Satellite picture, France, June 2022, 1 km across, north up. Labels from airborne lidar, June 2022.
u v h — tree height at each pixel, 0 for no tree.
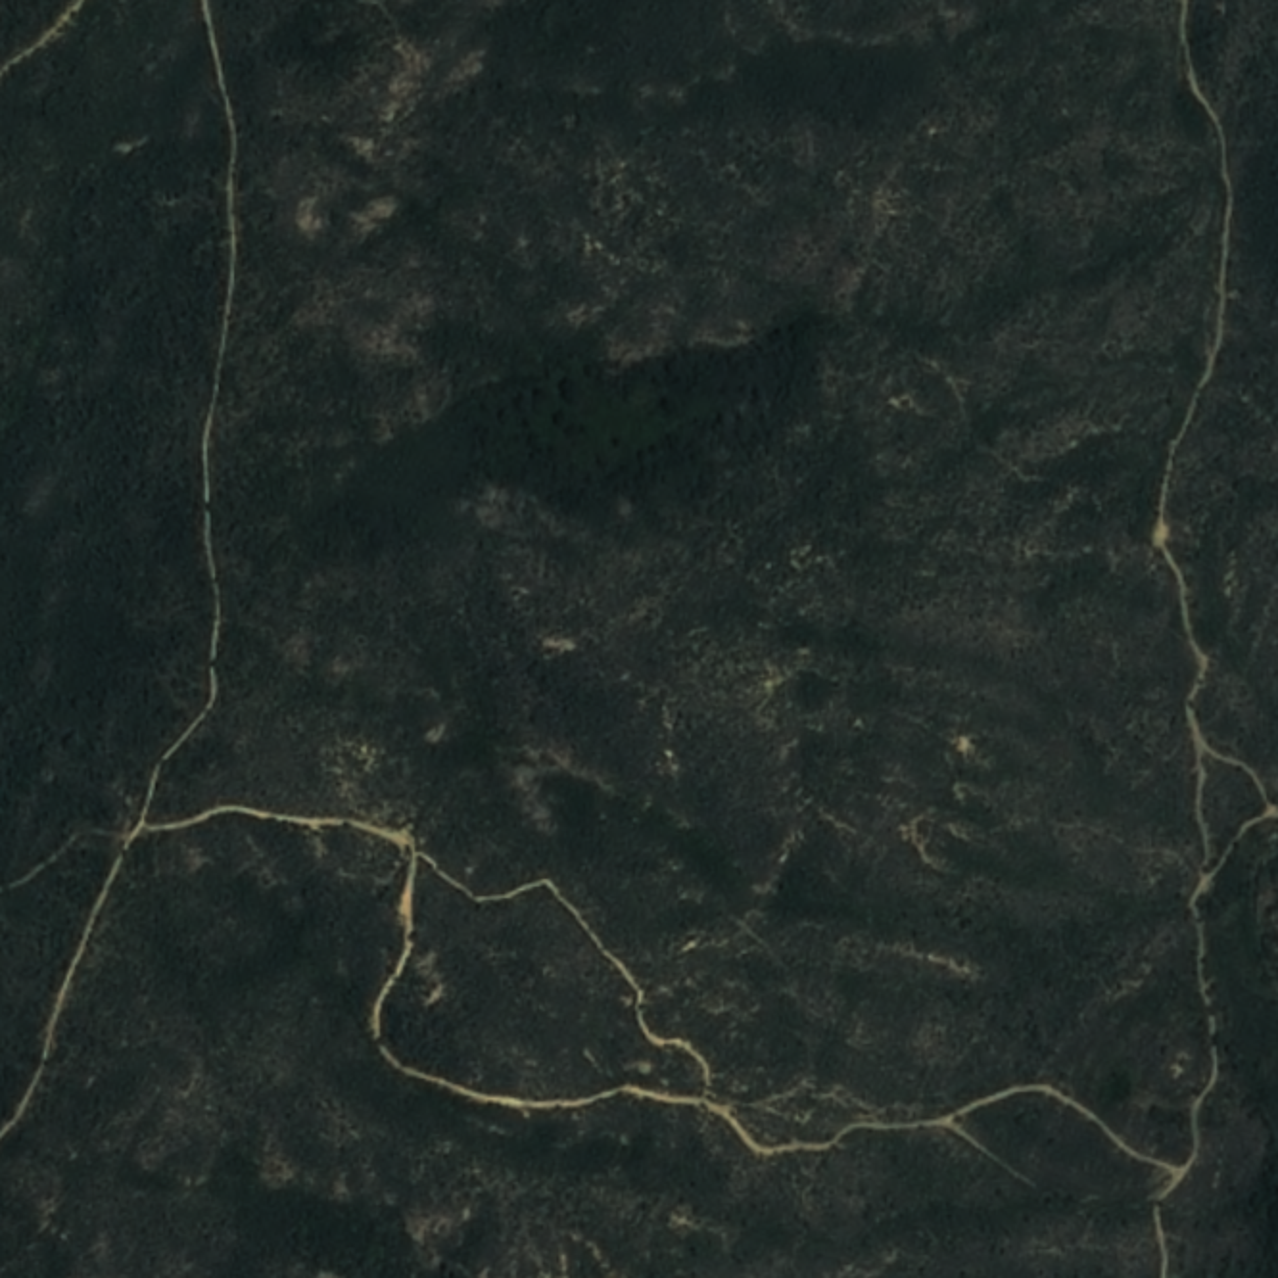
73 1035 6
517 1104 0
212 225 6
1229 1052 8
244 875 8
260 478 6
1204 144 0
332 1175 0
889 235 6
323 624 6
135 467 10
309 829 6
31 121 7
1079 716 0
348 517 9
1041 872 0
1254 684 0
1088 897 0
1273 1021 0
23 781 7
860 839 0
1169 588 0
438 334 8
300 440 7
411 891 0
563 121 9
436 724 0
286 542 7
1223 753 6
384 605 7
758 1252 0
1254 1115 6
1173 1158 0
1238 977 0
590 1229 7
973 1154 0
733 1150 0
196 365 6
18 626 6
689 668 6
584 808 6
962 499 7
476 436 6
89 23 11
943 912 6
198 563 5
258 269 6
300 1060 6
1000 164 0
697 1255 8
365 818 0
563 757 0
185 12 0
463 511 0
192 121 0
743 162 9
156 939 8
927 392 7
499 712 6
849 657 6
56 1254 7
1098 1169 0
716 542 6
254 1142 8
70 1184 6
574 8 7
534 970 8
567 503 6
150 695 8
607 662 8
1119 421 6
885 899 0
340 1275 6
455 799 6
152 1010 6
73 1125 5
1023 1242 0
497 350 9
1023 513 6
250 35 6
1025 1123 11
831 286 0
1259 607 0
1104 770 0
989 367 0
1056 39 0
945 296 7
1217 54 7
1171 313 0
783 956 0
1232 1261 8
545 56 9
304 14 7
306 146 8
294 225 0
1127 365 0
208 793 0
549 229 6
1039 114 6
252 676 7
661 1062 0
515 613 8
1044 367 0
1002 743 0
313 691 7
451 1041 8
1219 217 0
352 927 6
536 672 10
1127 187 7
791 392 10
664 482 7
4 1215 7
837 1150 7
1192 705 6
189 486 6
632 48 9
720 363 6
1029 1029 7
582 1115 6
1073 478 7
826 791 7
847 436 7
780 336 13
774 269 0
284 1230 7
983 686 0
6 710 8
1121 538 0
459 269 8
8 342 6
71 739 9
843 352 7
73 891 6
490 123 8
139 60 0
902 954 0
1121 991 7
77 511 7
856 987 0
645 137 6
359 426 9
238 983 7
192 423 6
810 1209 0
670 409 12
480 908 6
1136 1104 0
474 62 0
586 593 5
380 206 0
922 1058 0
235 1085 6
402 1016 7
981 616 6
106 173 7
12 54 7
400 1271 7
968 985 8
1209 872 7
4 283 0
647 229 7
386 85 0
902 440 8
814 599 0
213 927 6
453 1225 0
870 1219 8
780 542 7
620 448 10
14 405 9
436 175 8
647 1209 9
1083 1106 0
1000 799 0
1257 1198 11
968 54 6
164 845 6
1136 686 0
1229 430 6
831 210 6
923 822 0
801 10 6
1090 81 6
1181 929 0
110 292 5
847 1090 0
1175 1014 0
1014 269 7
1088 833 0
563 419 10
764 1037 0
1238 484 8
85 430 6
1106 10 0
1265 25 6
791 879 6
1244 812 7
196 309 6
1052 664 0
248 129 6
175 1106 0
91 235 6
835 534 7
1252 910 6
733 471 7
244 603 6
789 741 0
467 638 6
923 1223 0
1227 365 6
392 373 7
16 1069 7
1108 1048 0
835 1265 0
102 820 7
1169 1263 0
